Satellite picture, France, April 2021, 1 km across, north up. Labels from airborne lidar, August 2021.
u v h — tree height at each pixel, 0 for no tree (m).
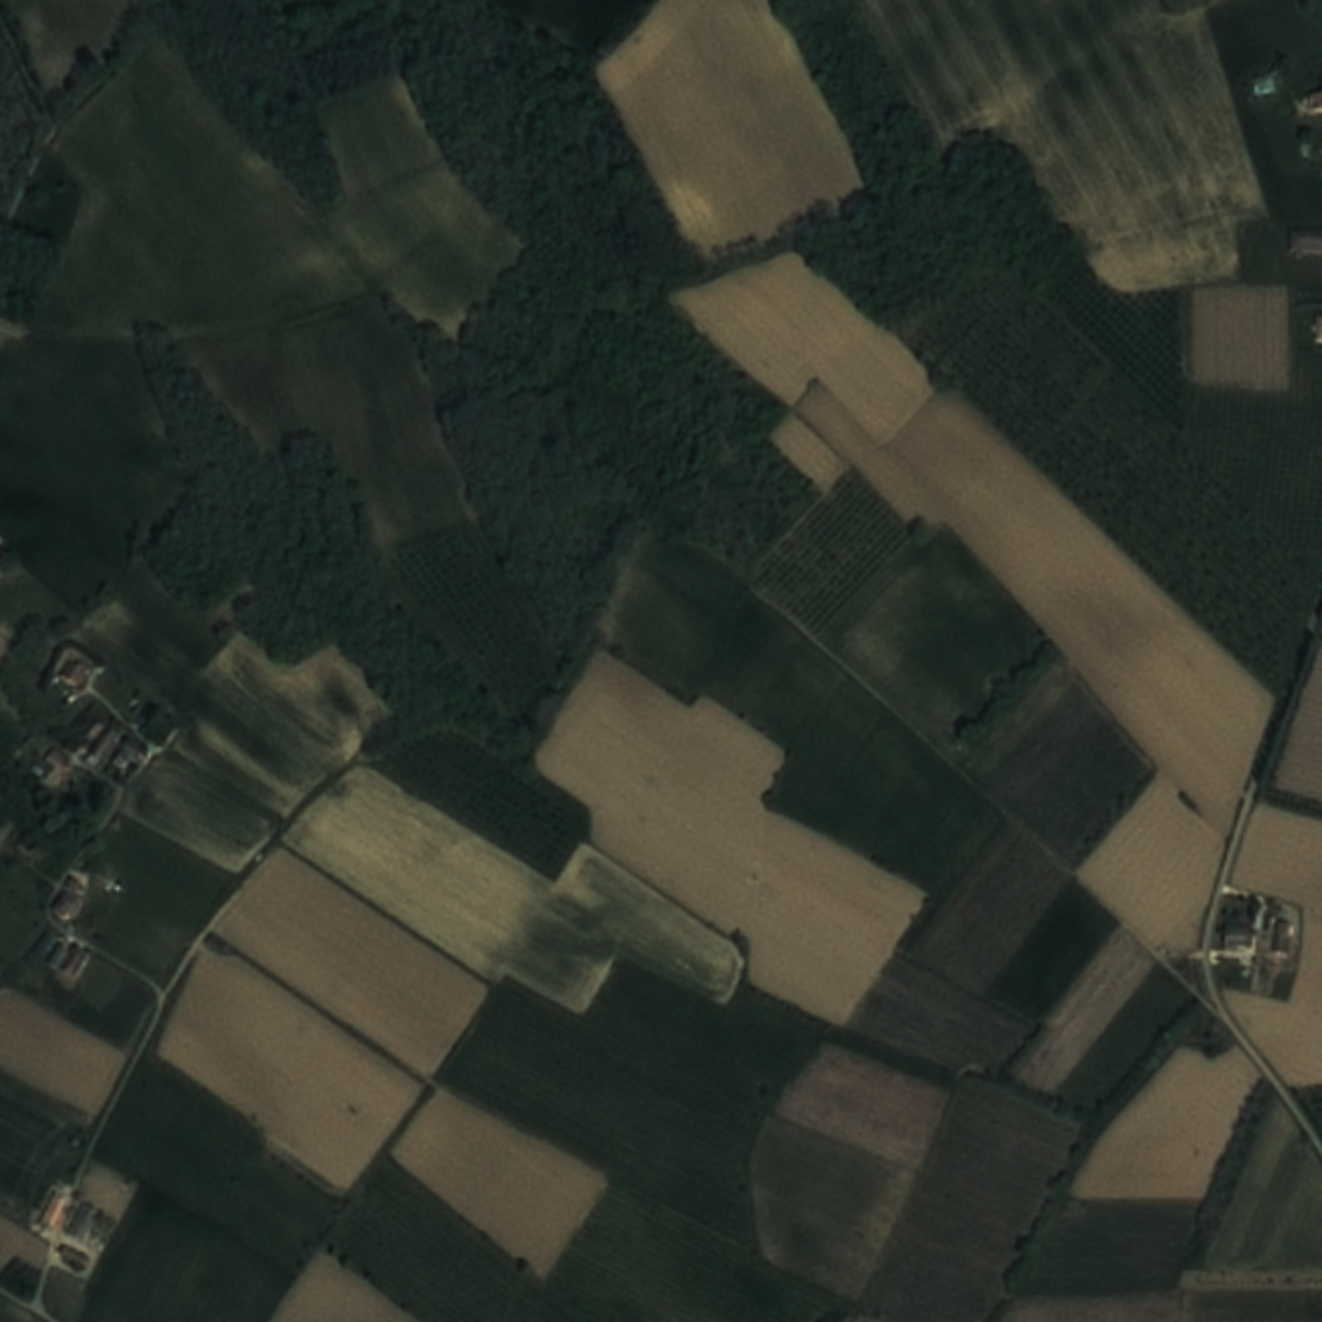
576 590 22
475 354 17
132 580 0
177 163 0
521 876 0
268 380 0
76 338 0
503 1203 0
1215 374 0
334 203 10
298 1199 0
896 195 22
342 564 17
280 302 0
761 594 0
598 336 17
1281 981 0
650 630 0
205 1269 0
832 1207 0
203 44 17
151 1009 0
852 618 0
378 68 15
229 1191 0
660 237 20
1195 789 0
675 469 10
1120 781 0
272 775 0
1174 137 0
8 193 9
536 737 23
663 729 0
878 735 0
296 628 19
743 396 11
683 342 13
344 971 0
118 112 0
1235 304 0
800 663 0
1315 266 0
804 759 0
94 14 0
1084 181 0
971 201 24
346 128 0
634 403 9
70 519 0
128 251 0
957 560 0
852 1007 0
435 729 14
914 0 0
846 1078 0
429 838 0
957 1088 0
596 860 0
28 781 7
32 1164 0
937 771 0
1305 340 0
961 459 0
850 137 6
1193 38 0
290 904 0
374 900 0
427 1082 0
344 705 0
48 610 0
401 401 0
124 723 7
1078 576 0
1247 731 0
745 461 9
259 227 0
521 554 19
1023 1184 0
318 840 0
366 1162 0
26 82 24
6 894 0
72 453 0
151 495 0
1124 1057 0
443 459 0
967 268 21
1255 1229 0
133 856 0
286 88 14
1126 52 0
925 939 0
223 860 0
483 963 0
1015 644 0
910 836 0
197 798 0
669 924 0
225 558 20
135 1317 0
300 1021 0
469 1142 0
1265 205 0
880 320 13
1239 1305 0
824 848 0
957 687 0
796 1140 0
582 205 20
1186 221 0
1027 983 0
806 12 17
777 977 0
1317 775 0
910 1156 0
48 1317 0
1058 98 0
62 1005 0
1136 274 0
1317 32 0
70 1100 0
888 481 0
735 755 0
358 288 0
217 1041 0
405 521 0
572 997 0
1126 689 0
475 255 0
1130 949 0
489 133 20
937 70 0
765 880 0
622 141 18
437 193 0
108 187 0
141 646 0
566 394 17
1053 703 0
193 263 0
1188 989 0
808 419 0
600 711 0
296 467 23
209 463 17
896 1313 0
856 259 24
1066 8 0
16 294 10
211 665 0
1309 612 0
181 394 17
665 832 0
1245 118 0
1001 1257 0
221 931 0
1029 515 0
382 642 20
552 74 16
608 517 10
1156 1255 0
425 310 0
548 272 17
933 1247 0
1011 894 0
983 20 0
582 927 0
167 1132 0
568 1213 0
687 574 0
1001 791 0
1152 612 0
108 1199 0
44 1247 0
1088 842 7
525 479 23
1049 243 19
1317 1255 0
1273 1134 0
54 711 0
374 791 0
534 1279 11
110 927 0
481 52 20
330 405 0
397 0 21
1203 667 0
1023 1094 7
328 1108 0
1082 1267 0
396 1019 0
